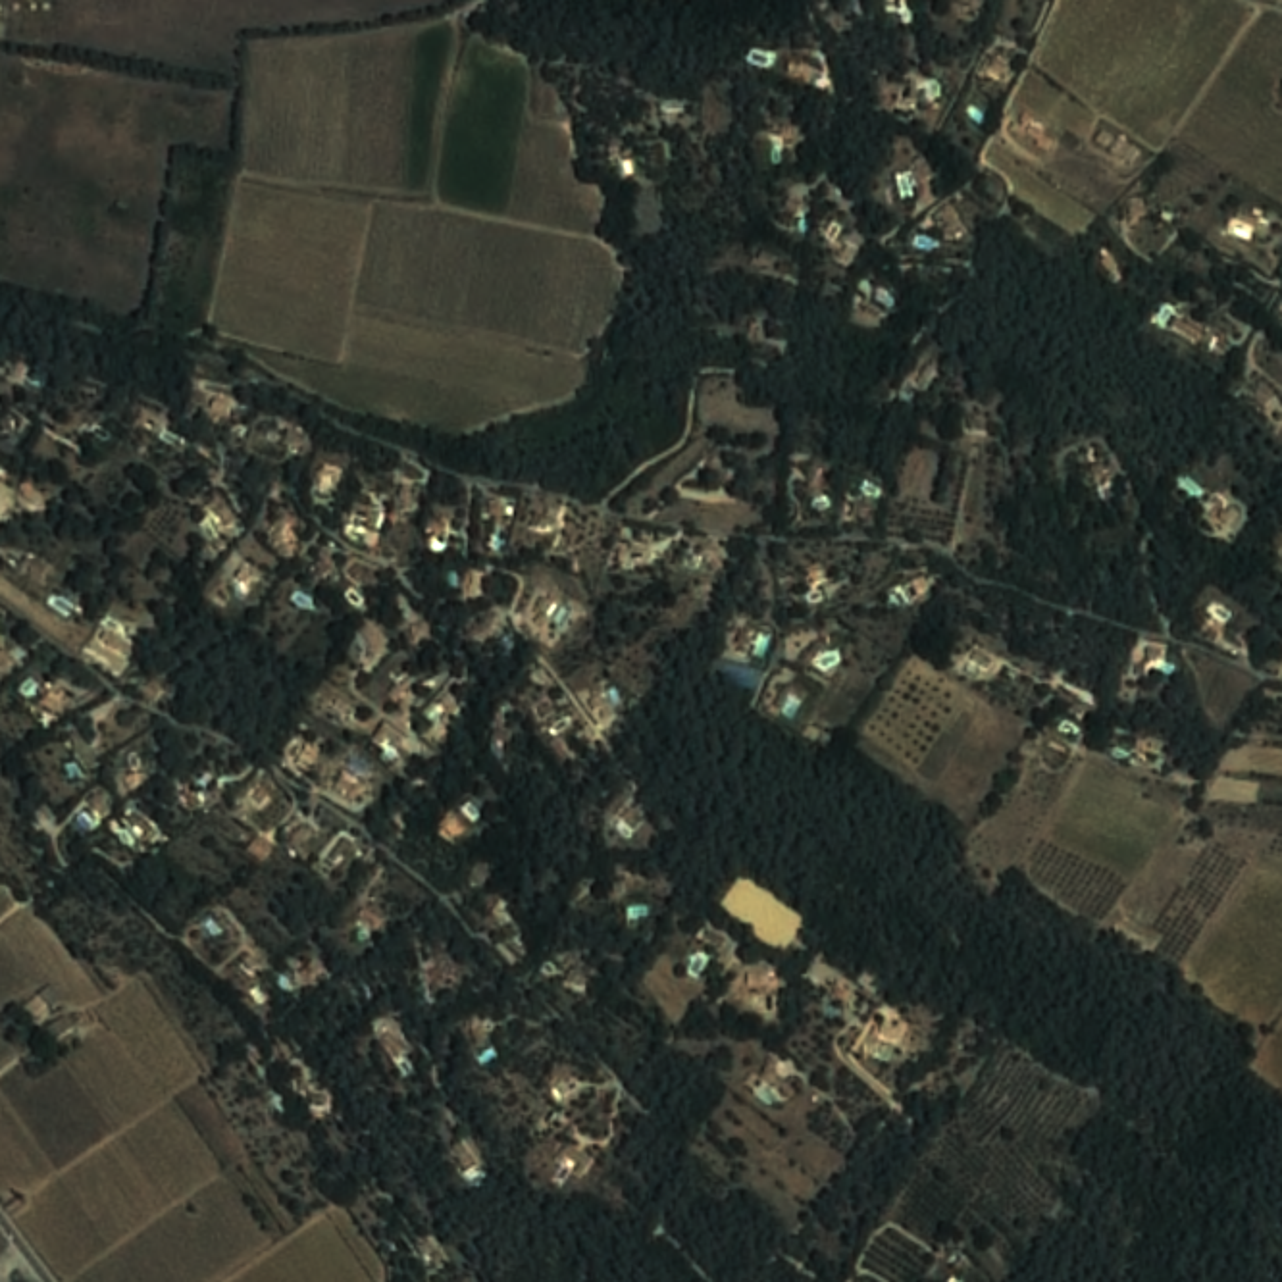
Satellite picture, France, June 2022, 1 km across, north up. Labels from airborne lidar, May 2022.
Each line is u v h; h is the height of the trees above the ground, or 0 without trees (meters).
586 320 0
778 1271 10
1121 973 25
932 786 0
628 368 11
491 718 8
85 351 19
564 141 0
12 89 0
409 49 0
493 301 0
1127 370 12
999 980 7
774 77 12
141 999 0
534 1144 7
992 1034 8
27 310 17
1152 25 0
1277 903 0
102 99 0
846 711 0
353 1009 7
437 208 0
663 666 8
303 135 0
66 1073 0
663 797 21
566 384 0
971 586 6
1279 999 0
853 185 21
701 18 11
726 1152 7
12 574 0
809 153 14
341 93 0
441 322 0
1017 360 18
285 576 11
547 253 0
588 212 0
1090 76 0
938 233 11
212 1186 0
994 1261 0
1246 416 13
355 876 8
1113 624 6
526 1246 17
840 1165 0
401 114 0
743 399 9
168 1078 0
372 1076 13
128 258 0
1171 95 0
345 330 0
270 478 19
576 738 9
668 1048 18
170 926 8
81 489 12
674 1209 16
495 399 0
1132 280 18
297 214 0
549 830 15
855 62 16
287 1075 8
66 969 0
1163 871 0
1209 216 0
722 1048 6
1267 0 0
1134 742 12
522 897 19
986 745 0
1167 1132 9
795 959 16
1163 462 12
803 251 9
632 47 14
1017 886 17
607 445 18
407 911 6
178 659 16
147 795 9
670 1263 8
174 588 14
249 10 0
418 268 0
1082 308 19
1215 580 7
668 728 17
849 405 15
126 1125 0
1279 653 10
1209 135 0
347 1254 0
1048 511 17
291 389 8
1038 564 10
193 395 17
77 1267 0
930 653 17
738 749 24
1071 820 0
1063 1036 12
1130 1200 14
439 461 8
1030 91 0
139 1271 0
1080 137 0
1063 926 22
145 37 0
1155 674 13
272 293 0
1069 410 18
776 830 19
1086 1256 17
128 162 0
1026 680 7
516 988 16
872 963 12
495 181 0
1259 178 0
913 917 14
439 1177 22
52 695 0
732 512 0
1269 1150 19
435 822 16
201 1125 0
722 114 0
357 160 0
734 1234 19
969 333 19
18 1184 0
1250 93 0
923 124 18
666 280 16
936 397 9
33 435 10
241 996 7
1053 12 0
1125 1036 22
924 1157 23
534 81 0
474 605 7
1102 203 0
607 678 8
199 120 0
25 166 0
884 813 20
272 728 19
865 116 18
